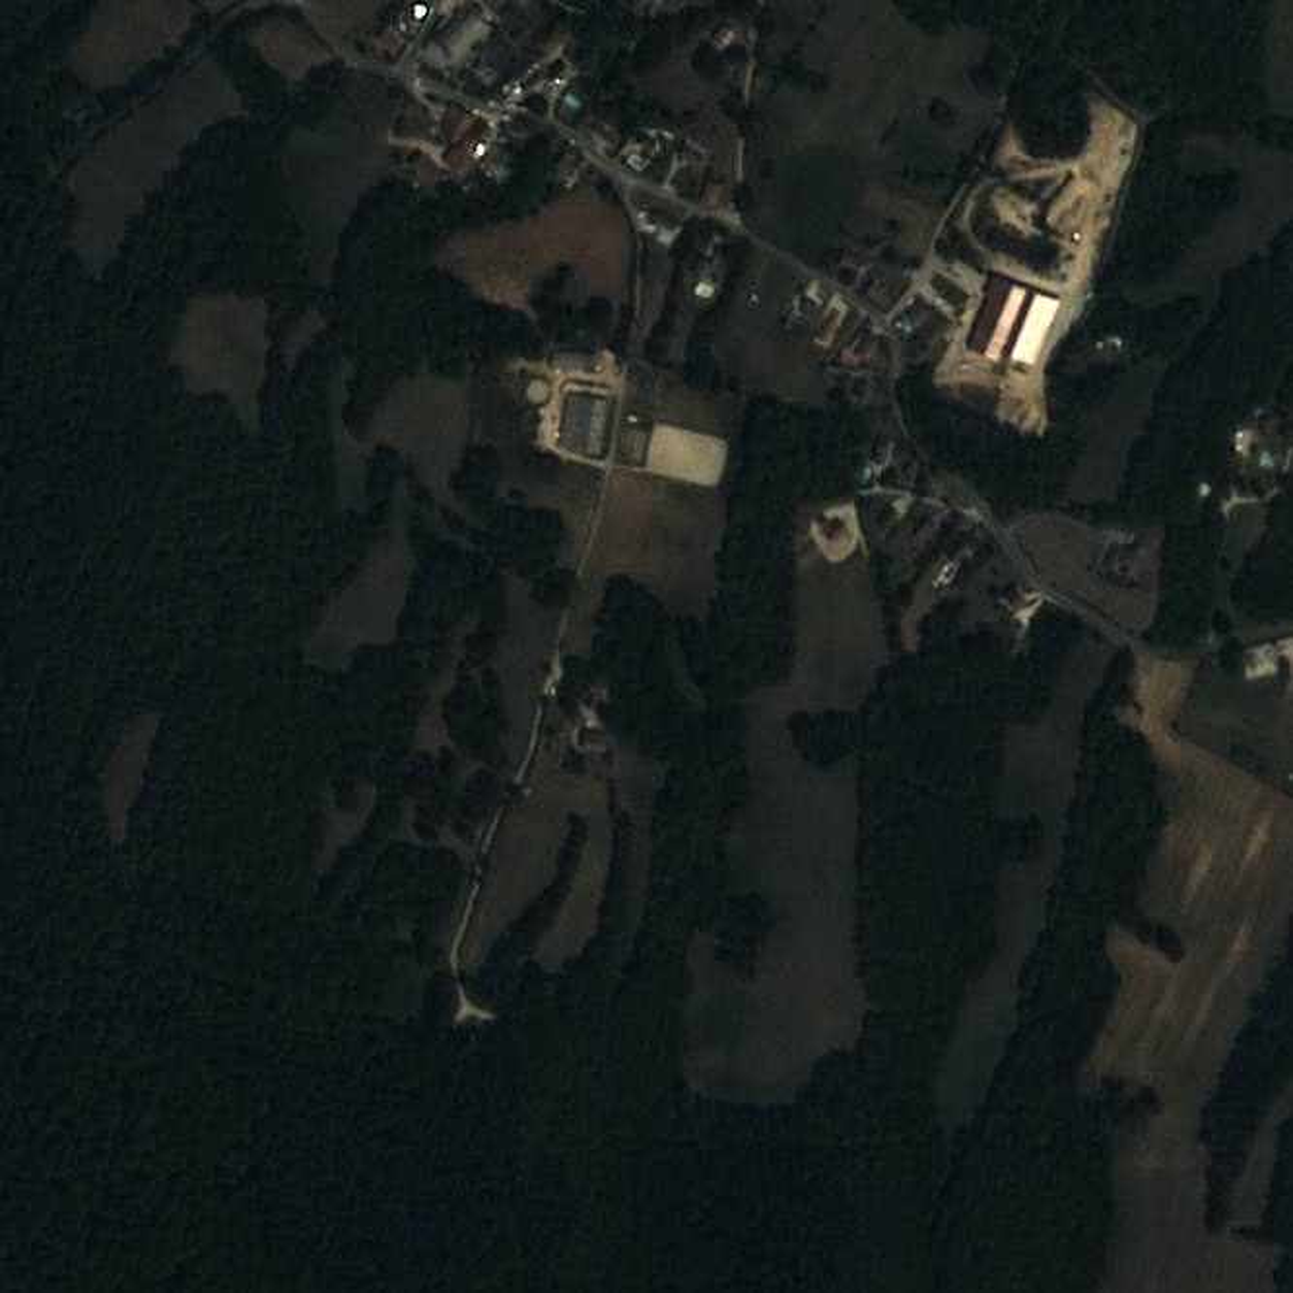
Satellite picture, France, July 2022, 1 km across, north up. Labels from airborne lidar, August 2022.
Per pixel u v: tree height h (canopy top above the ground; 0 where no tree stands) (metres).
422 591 19
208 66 0
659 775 0
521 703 0
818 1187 10
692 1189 25
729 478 0
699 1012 0
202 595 8
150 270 8
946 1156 16
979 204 0
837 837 0
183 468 15
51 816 19
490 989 19
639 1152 19
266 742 22
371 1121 20
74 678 17
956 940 19
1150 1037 0
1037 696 19
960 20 7
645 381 0
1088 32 14
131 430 20
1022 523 0
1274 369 16
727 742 15
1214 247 0
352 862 22
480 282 0
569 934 0
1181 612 14
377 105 0
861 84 0
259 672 24
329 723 15
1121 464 0
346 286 17
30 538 18
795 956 0
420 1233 22
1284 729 0
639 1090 22
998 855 12
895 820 20
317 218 0
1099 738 8
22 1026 21
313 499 22
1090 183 0
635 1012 20
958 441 23
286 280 20
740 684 19
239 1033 18
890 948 17
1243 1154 13
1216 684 0
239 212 16
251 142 24
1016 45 12
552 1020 22
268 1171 22
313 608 19
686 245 12
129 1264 22
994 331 0
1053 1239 19
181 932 20
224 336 0
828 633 0
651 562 0
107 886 20
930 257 0
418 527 6
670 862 16
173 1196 25
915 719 21
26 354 20
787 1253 15
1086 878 17
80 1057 19
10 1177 22
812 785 0
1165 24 18
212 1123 24
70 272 21
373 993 23
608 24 16
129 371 17
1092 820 15
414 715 15
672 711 27
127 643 18
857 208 0
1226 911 0
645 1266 18
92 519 18
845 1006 0
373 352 18
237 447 8
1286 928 0
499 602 19
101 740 16
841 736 19
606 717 14
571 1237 15
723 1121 20
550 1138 15
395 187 16
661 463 0
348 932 21
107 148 0
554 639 0
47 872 17
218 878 22
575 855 15
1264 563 15
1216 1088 0
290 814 24
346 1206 21
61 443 18
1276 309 15
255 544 9
